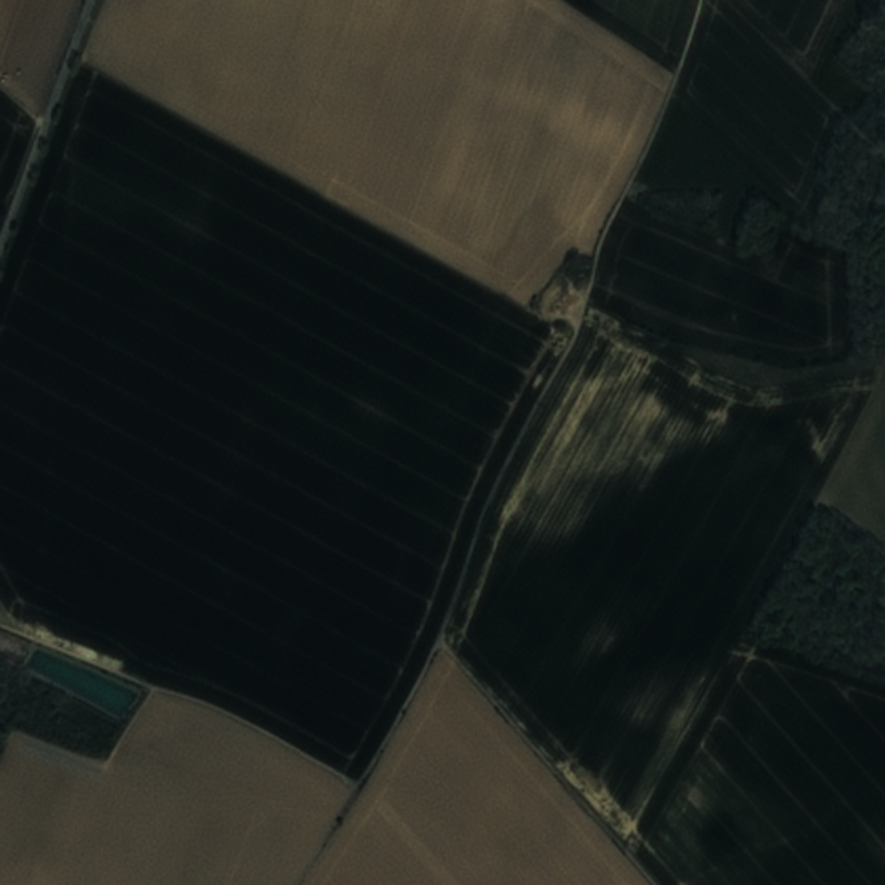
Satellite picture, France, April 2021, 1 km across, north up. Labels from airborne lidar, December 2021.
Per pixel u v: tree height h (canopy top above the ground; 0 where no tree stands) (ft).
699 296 0
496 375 0
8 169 0
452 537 0
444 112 0
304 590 0
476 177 0
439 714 0
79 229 0
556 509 0
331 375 0
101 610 0
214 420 0
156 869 0
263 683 0
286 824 0
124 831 0
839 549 63
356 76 0
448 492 0
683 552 0
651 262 0
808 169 0
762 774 0
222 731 0
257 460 0
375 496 0
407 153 0
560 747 0
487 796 0
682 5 0
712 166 0
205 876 0
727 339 0
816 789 0
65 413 0
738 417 0
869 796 0
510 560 0
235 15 0
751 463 0
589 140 0
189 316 0
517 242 0
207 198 0
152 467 0
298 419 0
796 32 0
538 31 0
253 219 0
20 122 0
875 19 83
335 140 0
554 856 0
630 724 0
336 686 0
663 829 0
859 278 50
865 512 0
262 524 0
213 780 0
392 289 0
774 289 0
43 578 0
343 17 0
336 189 0
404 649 0
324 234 0
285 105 0
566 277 0
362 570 0
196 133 0
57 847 0
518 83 0
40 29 0
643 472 0
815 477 0
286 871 0
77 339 0
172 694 0
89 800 0
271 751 0
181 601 0
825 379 0
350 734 0
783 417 0
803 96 0
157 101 0
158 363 0
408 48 0
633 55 0
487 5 0
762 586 0
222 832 0
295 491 0
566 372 0
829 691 0
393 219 0
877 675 48
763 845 0
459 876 0
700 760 0
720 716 0
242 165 0
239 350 0
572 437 0
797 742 0
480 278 0
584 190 0
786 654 0
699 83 0
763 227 65
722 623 0
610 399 0
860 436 0
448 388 0
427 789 0
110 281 0
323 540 0
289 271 0
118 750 0
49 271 0
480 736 0
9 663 45
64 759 0
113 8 0
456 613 0
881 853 0
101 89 0
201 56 0
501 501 0
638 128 0
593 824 0
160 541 0
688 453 0
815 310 0
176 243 0
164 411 0
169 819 0
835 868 0
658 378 0
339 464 0
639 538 0
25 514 0
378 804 0
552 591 0
